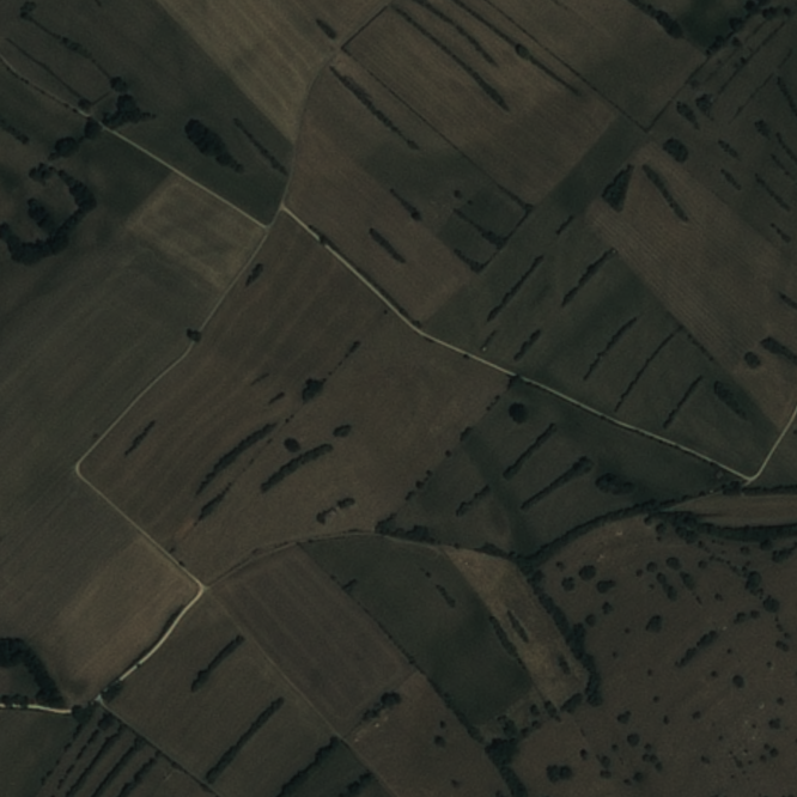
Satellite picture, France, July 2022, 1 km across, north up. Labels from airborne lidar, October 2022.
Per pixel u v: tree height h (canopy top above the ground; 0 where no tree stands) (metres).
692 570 0
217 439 0
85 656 0
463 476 0
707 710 0
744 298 0
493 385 0
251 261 0
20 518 0
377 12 0
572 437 0
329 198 0
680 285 0
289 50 0
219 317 0
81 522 0
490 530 0
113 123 14
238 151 0
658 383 0
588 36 0
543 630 0
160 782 0
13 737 0
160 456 0
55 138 0
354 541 0
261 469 0
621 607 0
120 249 0
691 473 0
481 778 0
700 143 0
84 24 0
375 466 0
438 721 0
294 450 14
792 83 0
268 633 0
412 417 0
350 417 0
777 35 0
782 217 0
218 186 0
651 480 0
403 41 0
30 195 0
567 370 0
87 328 0
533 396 0
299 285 0
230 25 0
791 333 0
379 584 0
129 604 0
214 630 0
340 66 0
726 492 7
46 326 0
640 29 0
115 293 0
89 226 0
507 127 0
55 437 0
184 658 0
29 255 18
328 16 0
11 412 0
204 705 0
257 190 0
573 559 0
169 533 0
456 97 0
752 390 0
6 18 0
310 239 0
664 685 0
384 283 0
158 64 0
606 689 0
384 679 0
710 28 0
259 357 0
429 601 0
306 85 0
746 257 0
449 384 0
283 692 0
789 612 0
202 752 0
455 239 0
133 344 0
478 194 0
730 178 6
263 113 0
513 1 0
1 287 0
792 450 0
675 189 0
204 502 0
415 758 0
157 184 0
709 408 0
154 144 0
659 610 0
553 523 0
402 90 0
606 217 0
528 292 0
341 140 0
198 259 0
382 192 0
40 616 0
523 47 10
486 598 0
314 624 0
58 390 0
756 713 0
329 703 0
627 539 0
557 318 0
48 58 0
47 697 14
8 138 0
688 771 0
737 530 6
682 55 0
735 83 0
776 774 0
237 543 0
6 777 0
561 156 0
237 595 0
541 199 0
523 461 7
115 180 0
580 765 0
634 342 0
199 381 0
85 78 0
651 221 0
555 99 0
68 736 0
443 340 0
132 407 0
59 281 0
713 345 0
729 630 0
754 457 0
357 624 0
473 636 0
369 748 0
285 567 0
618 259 0
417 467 0
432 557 0
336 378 0
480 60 0
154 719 0
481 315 0
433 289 0
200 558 0
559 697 0
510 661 0
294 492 0
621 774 0
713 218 0
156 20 0
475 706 0
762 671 0
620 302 0
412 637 0
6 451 0
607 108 0
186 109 0
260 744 0
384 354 0
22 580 0
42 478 0
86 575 0
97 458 0
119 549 0
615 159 0
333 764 0
